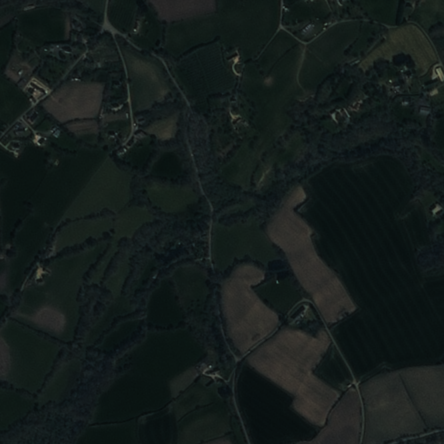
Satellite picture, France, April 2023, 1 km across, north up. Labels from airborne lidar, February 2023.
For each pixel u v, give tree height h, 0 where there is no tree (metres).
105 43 0
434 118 6
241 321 0
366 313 0
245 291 0
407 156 21
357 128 13
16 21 7
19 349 0
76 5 19
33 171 0
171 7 0
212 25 0
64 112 0
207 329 9
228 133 6
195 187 9
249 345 0
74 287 0
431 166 10
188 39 0
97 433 0
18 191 0
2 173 0
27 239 0
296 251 0
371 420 0
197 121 32
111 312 0
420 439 15
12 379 0
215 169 16
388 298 0
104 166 0
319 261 0
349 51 6
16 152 0
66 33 0
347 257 0
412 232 0
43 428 14
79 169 0
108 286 0
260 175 0
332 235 0
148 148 0
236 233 0
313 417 0
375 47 0
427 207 0
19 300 12
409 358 0
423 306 0
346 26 0
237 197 11
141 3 15
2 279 0
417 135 15
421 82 0
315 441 0
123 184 0
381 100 13
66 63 8
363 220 0
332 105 10
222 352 22
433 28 10
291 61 0
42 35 0
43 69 14
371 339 0
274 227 0
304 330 15
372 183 0
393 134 13
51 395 0
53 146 11
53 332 0
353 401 0
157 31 0
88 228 0
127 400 0
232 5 0
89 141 0
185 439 0
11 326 0
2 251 8
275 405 0
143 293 10
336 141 16
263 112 0
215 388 0
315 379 0
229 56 0
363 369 0
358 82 18
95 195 0
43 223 0
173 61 13
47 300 0
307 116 20
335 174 0
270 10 0
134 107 0
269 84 0
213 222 8
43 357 0
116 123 0
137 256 14
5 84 0
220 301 16
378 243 0
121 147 7
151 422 0
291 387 0
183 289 0
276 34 0
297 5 0
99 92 0
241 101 8
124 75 10
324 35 0
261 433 0
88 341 0
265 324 0
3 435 13
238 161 0
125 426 0
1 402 0
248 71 0
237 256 0
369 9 0
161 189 0
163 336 0
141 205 19
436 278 0
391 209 0
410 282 0
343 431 0
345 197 0
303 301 0
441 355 0
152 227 17
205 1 0
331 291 0
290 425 0
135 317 10
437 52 0
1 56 0
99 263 10
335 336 0
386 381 0
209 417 0
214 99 11
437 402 0
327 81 11
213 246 0
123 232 0
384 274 0
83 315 20
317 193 0
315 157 24
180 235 18
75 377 0
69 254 17
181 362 0
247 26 0
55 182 0
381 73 14
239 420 9
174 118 0
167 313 0
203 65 6
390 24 0
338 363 0
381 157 0
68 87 0
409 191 0
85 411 16
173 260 17
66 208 0
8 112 0
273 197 9
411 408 0
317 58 0
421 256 14
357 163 0
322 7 0
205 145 24
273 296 0
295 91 0
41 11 0
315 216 0
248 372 0
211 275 17
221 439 0
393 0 0
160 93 0
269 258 0
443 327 0
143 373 0
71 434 12
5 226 0
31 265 6
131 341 13
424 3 0
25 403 0
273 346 0
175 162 0
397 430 0
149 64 0
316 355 0
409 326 0
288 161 0
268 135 0
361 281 0
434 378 0
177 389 0
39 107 7
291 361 0
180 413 0
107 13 0
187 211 0
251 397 0
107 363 20
